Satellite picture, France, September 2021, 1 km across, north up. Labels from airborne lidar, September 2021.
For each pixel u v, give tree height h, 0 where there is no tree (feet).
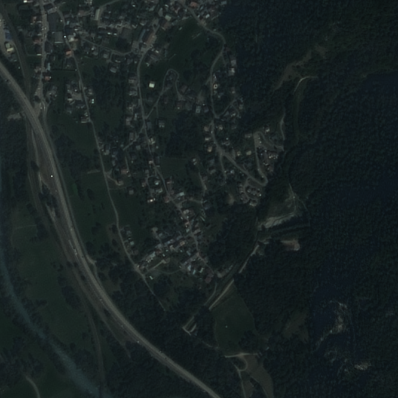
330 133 71
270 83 47
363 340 53
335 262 51
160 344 62
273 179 55
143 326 82
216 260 87
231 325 0
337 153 88
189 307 85
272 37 59
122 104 31
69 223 0
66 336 0
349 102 64
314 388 56
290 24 73
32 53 0
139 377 85
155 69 23
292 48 77
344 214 22
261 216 51
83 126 0
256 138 0
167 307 0
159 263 0
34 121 0
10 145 73
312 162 63
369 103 70
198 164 0
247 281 43
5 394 0
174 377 0
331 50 43
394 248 66
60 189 0
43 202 61
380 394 60
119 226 0
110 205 0
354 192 66
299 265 75
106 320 0
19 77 37
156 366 47
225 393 60
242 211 69
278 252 81
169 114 0
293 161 59
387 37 111
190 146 63
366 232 62
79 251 0
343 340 37
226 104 61
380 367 56
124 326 0
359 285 50
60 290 0
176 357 87
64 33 25
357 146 69
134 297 71
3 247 52
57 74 0
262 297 79
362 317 53
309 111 34
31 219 0
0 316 0
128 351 58
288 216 0
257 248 0
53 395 0
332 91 81
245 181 0
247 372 0
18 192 68
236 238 85
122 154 60
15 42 0
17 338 0
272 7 86
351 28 87
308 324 29
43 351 69
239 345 38
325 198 80
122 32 0
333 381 55
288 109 58
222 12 22
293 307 77
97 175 0
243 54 35
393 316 46
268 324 59
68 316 0
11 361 106
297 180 66
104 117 0
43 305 48
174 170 0
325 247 73
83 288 0
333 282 42
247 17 105
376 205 59
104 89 66
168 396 58
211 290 21
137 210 0
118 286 0
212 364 60
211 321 67
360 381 31
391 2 91
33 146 0
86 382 0
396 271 64
